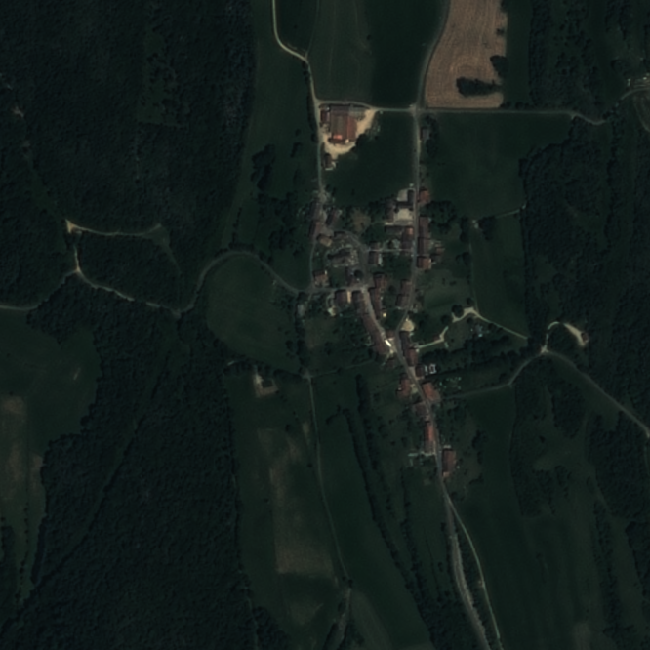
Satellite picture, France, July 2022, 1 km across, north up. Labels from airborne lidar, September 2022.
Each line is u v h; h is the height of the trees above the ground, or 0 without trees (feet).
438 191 0
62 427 0
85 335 0
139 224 37
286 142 0
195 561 65
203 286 27
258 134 0
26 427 0
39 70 34
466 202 0
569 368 0
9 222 65
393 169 0
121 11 32
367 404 57
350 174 0
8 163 63
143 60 56
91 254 55
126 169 18
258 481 0
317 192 0
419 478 0
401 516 0
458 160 0
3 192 74
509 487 0
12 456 0
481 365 59
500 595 0
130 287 40
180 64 56
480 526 0
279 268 0
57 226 53
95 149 33
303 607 0
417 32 0
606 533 42
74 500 37
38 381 0
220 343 48
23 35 42
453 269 0
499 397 0
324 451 0
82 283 23
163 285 41
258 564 0
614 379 23
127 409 46
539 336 32
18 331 0
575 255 31
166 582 55
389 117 0
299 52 0
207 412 63
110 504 56
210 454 60
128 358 25
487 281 0
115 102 24
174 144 31
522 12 0
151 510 30
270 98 0
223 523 69
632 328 46
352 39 0
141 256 47
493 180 0
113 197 31
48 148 37
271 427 0
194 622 53
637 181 18
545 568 24
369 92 0
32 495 0
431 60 0
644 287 19
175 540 31
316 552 0
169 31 48
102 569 48
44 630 69
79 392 0
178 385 31
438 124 35
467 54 0
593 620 0
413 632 0
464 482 0
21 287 55
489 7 0
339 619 0
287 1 0
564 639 0
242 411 0
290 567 0
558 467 26
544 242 29
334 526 0
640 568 58
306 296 29
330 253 0
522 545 0
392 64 0
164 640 25
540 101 23
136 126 49
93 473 41
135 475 34
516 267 0
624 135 42
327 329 0
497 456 0
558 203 32
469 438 0
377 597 0
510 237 0
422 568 44
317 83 0
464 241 43
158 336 56
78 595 31
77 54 22
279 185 0
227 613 42
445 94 0
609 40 0
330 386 0
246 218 0
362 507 0
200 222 39
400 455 0
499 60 65
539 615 0
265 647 58
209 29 49
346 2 0
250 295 0
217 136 59
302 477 0
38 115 43
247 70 69
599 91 65
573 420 30
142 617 46
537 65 53
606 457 30
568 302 22
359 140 35
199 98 58
